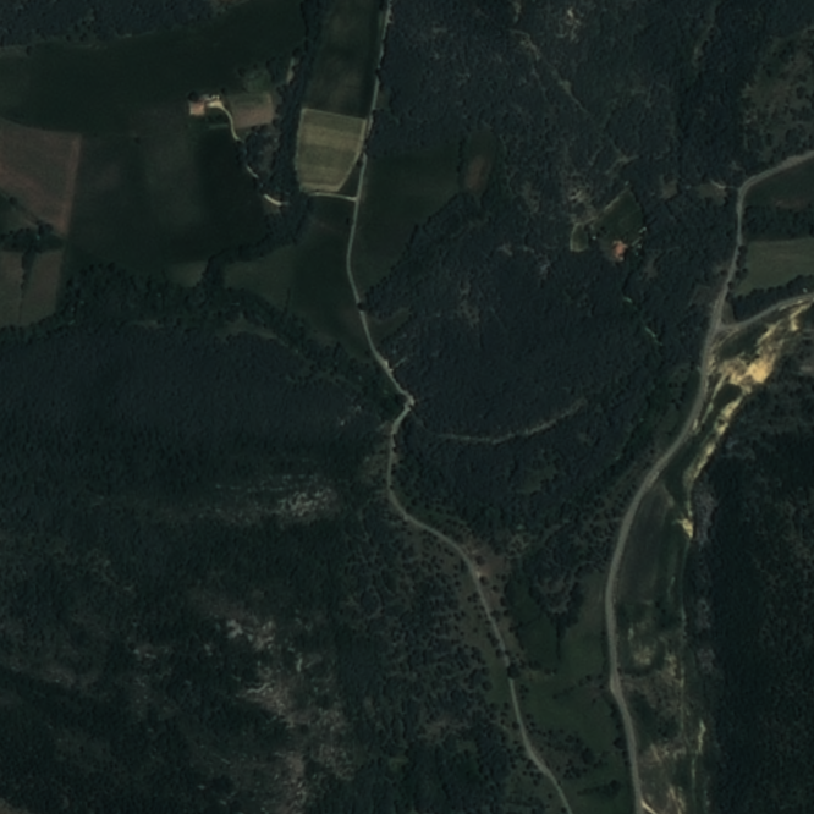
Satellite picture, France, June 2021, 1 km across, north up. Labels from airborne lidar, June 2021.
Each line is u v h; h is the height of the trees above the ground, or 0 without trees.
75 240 0
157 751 7
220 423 10
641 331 14
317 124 0
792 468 6
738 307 13
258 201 0
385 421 9
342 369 9
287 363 13
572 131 8
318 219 0
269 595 9
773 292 14
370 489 10
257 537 11
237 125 0
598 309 13
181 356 14
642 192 13
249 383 15
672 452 0
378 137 13
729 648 8
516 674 11
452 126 11
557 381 13
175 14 9
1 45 8
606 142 7
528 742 0
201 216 0
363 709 8
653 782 0
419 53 10
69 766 8
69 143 0
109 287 8
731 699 9
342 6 0
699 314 9
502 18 8
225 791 6
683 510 0
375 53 0
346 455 7
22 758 8
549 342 15
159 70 0
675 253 11
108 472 7
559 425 11
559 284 11
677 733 0
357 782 10
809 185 0
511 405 15
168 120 0
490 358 13
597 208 7
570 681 0
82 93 0
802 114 7
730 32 11
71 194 0
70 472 10
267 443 10
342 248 0
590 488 15
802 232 10
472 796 17
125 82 0
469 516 12
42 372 13
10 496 7
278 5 0
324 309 0
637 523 0
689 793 0
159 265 0
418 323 7
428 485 14
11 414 11
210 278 12
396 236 0
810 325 0
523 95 7
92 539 8
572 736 6
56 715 9
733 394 0
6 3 10
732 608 6
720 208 11
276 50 0
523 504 14
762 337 0
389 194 0
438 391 10
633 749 0
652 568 0
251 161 10
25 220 0
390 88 7
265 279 0
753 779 9
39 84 0
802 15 10
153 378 11
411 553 9
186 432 11
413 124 9
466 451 17
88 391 14
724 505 9
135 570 7
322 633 9
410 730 9
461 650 12
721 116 9
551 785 0
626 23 10
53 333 12
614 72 8
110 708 7
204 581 8
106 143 0
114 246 0
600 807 0
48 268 0
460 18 8
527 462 18
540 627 0
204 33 0
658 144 11
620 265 15
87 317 8
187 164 0
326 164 0
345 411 8
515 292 13
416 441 18
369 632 10
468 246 7
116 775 7
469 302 7
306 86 10
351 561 8
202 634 7
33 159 0
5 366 12
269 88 0
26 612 9
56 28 12
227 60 0
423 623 9
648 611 0
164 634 11
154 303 9
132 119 0
